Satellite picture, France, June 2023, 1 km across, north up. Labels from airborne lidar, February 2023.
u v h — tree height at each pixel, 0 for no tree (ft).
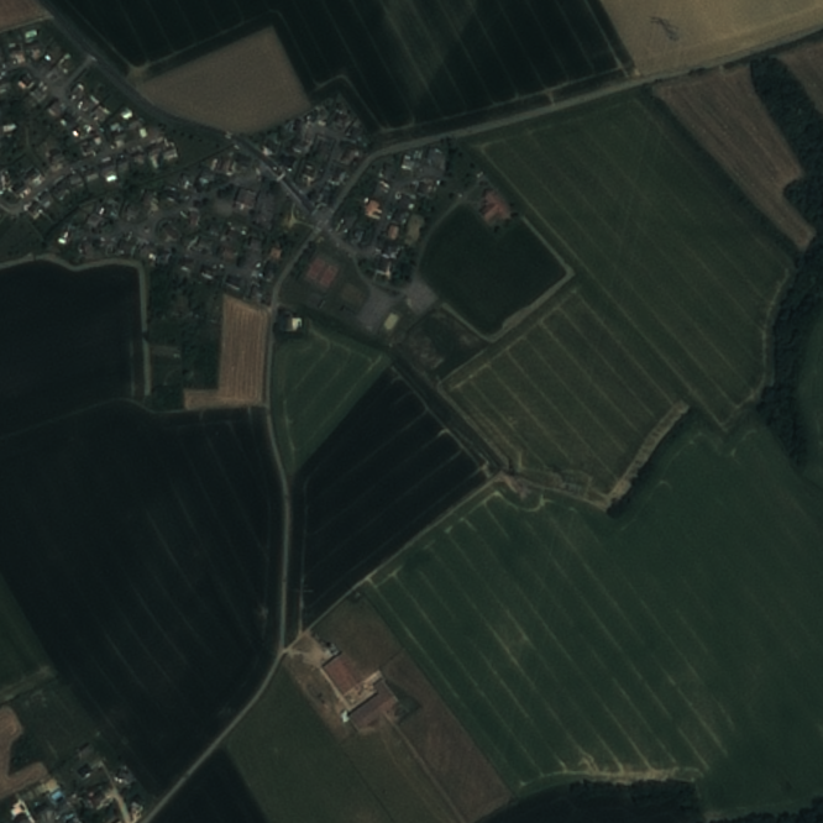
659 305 0
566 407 0
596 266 0
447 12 0
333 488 0
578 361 0
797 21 0
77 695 0
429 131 0
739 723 0
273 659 0
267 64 0
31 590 0
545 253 0
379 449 0
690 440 0
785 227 0
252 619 0
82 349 0
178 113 0
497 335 0
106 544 0
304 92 0
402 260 31
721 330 0
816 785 0
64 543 0
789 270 0
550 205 0
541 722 0
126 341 0
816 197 63
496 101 0
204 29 0
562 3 0
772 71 50
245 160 0
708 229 0
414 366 0
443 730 0
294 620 0
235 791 0
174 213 0
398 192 0
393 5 0
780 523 0
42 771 0
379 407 0
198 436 0
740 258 0
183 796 0
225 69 0
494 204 0
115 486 0
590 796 57
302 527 0
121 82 0
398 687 0
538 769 0
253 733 0
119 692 0
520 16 0
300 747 0
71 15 0
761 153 0
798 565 0
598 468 0
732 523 0
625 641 0
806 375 0
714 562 0
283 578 0
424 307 0
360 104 0
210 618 0
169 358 0
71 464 0
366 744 0
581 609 0
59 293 0
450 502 0
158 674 0
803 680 0
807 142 19
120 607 0
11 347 0
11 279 0
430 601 0
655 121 0
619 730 0
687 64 0
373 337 0
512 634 0
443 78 0
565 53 0
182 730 0
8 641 0
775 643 0
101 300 0
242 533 0
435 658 0
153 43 0
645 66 0
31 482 0
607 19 0
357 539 0
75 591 0
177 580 0
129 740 0
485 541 0
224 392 0
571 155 0
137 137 0
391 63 0
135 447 0
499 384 0
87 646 0
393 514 0
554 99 0
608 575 0
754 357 0
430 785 0
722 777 0
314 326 0
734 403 0
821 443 0
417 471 0
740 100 0
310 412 0
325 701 0
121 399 0
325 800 0
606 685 0
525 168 0
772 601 0
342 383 0
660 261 0
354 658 0
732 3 0
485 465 0
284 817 0
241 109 0
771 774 0
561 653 0
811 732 0
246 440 0
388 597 0
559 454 0
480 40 0
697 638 0
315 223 0
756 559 0
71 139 24
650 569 0
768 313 0
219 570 0
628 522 0
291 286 0
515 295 0
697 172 0
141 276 0
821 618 0
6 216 0
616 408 0
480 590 0
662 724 0
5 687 0
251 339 0
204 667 0
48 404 0
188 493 0
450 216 0
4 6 0
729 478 0
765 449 0
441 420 0
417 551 0
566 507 0
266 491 0
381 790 0
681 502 0
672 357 0
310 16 0
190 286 25
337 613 0
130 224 0
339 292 0
